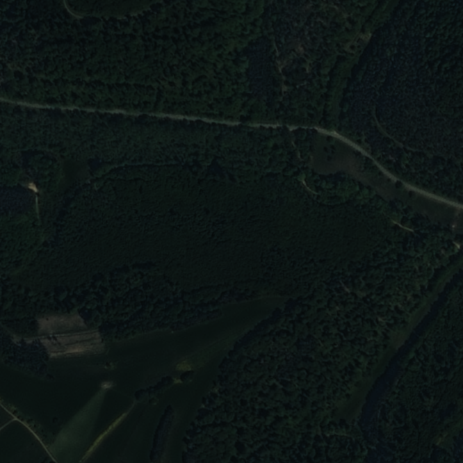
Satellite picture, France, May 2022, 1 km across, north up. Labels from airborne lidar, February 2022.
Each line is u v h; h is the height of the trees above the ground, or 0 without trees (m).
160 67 30
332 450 14
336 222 14
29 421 6
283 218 16
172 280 16
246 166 18
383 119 22
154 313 16
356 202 15
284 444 28
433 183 29
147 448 0
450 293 13
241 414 12
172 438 0
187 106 15
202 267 18
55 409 0
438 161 29
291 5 30
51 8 14
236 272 18
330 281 27
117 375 0
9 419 0
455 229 0
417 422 9
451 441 0
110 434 0
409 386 8
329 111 8
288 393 35
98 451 0
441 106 28
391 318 27
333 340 33
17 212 34
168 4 36
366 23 18
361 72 22
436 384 10
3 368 0
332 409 9
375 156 9
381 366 0
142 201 12
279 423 36
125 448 0
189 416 0
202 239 18
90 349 0
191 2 37
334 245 17
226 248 19
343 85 7
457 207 0
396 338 0
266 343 31
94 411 0
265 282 21
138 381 0
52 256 18
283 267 25
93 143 17
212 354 0
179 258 19
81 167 0
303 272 22
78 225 16
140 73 26
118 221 16
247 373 33
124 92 30
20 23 28
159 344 0
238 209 16
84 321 25
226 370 19
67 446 0
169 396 0
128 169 15
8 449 0
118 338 13
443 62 32
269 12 18
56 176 26
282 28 27
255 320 0
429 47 31
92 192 18
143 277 16
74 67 28
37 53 26
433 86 27
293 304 26
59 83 33
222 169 14
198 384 0
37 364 13
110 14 10
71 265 20
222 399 7
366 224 15
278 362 30
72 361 0
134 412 0
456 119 28
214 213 17
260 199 21
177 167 13
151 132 28
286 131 18
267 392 35
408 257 25
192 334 0
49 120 21
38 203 9
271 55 8
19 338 0
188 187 11
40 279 19
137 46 33
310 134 24
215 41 37
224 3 34
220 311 18
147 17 31
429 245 30
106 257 18
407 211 17
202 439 31
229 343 0
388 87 24
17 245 23
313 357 36
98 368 0
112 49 25
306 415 34
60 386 0
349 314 36
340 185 27
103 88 32
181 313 21
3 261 29
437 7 23
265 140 22
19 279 17
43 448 0
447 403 13
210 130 21
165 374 0
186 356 0
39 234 24
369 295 32
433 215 0
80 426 0
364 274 26
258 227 17
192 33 33
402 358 22
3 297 14
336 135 0
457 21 27
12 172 28
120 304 14
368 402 0
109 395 0
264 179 13
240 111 10
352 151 0
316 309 36
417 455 18
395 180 0
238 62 39
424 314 0
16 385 0
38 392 0
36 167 30
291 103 24
